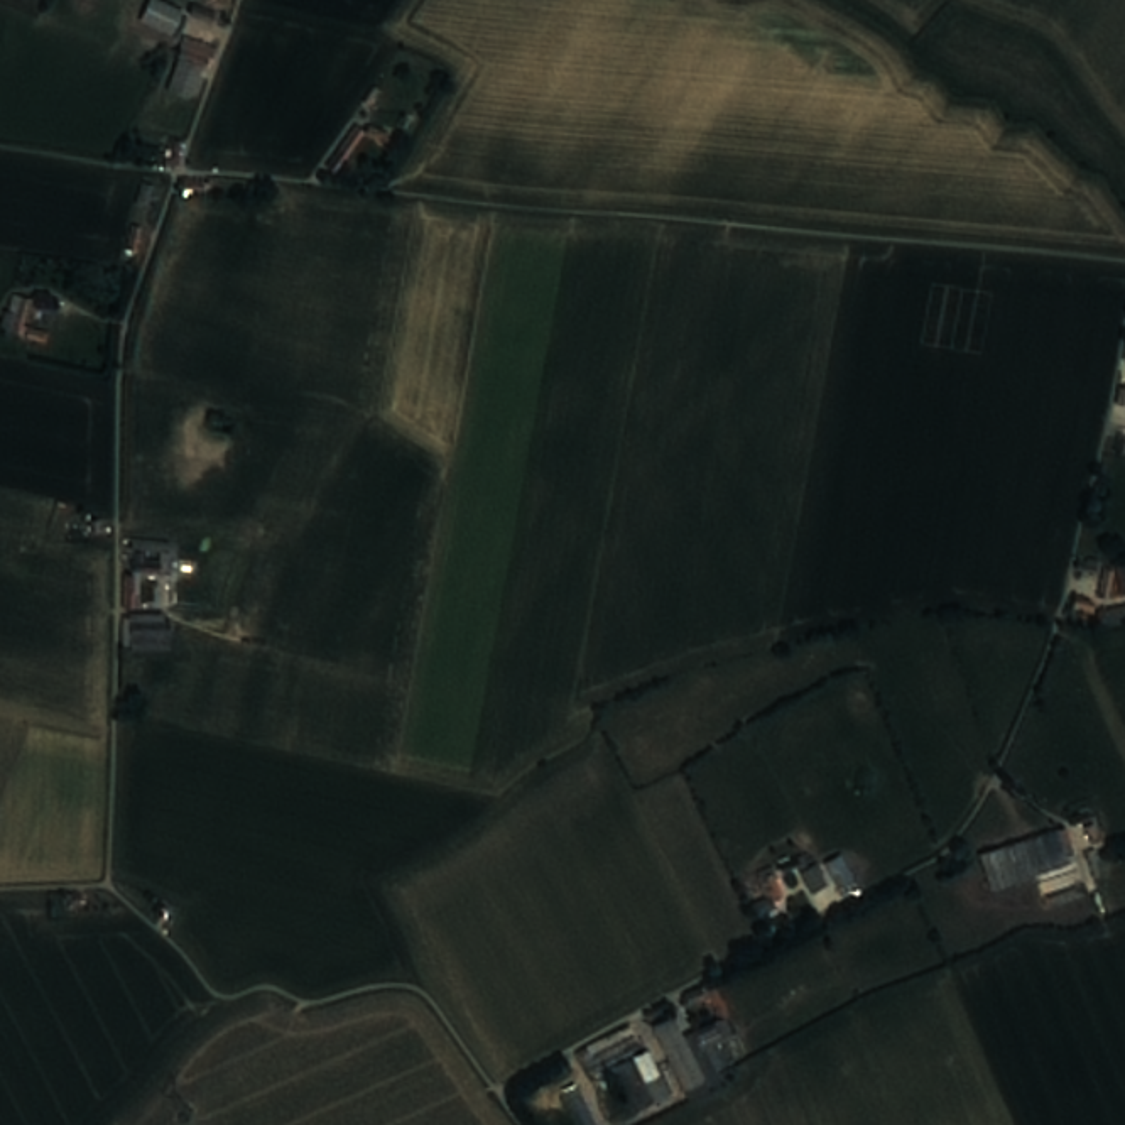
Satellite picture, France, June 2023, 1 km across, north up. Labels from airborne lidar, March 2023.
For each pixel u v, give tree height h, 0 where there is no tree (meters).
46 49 0
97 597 0
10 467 0
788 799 0
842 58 0
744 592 0
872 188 0
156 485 0
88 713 0
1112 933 0
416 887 0
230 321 0
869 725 0
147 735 0
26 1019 0
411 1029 0
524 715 0
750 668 0
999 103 0
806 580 0
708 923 0
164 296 0
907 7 0
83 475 0
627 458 0
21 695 0
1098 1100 0
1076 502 0
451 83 12
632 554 0
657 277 0
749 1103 0
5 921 0
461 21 0
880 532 0
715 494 0
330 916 0
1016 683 0
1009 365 0
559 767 0
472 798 0
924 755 0
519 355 0
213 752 0
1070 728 0
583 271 0
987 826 0
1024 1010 0
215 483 0
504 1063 0
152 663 0
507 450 0
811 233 0
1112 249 0
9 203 0
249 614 0
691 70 0
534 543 0
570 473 0
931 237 0
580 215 0
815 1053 0
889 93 0
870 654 0
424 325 0
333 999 0
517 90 0
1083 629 13
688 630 0
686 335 0
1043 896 0
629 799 0
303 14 0
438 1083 0
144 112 0
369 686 0
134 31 0
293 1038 0
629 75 0
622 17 0
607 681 0
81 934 0
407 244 0
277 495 0
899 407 0
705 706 0
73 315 0
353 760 0
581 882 0
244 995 0
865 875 0
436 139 0
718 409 0
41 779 0
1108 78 0
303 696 0
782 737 0
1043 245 0
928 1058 0
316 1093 0
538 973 0
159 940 0
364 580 0
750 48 0
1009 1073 0
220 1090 0
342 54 0
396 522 0
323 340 0
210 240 0
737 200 0
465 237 0
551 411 0
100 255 0
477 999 0
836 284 0
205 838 0
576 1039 0
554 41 0
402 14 0
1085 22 0
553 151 0
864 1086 0
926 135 0
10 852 0
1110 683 0
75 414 0
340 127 0
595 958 0
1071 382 0
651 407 0
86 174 0
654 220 0
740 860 0
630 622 0
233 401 0
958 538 0
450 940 0
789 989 0
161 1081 0
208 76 0
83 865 0
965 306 0
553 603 0
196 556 0
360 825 0
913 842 0
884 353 0
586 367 0
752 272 0
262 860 0
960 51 0
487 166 0
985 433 0
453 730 0
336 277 0
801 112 0
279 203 0
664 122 0
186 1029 0
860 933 0
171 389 0
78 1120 0
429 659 0
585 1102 6
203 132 0
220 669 0
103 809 0
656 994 0
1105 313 0
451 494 0
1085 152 0
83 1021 0
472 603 0
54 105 0
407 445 0
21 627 0
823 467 0
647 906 0
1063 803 0
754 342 0
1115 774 0
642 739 0
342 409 0
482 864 0
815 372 0
